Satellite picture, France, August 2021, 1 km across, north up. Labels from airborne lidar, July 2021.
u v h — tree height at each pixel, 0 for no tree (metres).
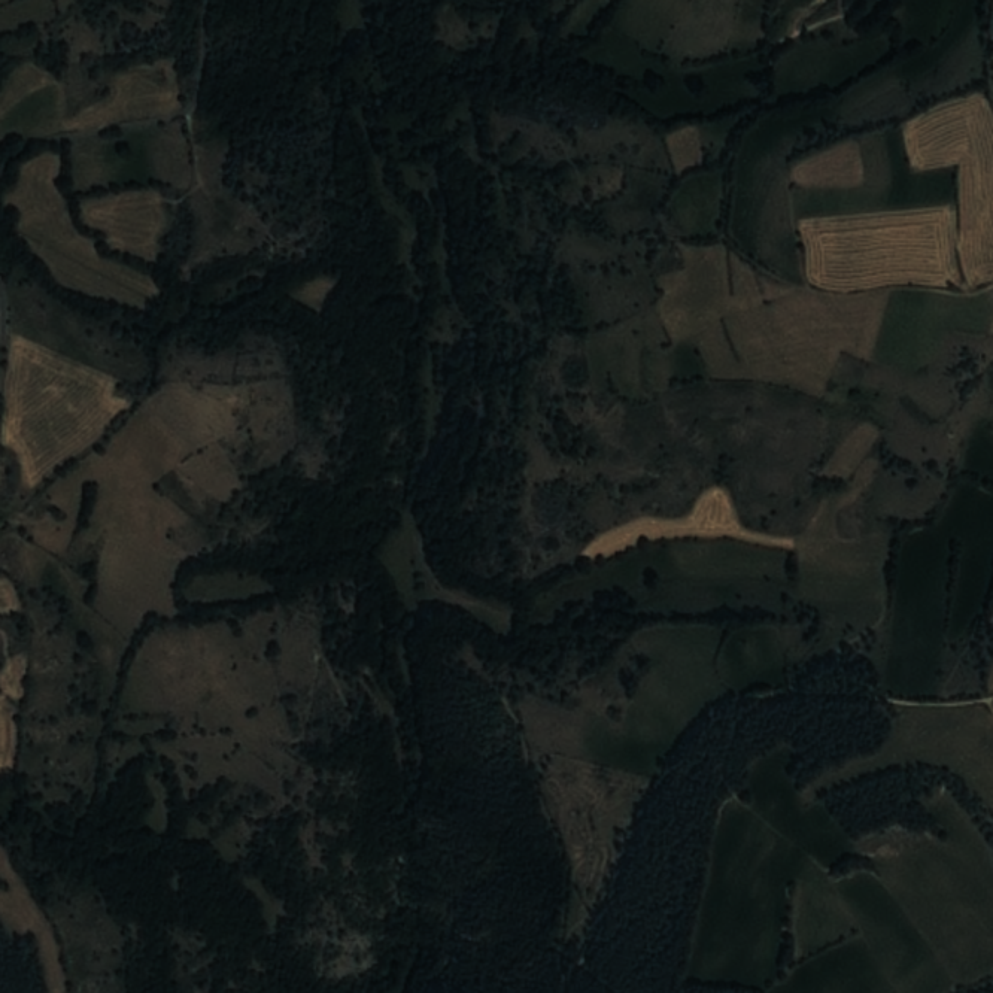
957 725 0
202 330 7
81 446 0
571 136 9
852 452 0
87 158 0
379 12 20
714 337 0
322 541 18
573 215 7
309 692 0
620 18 0
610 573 0
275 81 10
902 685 0
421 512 24
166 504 0
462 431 14
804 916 0
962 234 0
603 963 17
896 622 0
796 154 8
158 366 8
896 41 15
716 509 0
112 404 0
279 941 12
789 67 0
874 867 10
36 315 0
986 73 8
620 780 0
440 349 9
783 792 0
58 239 0
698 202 0
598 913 11
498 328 10
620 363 0
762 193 0
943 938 0
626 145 0
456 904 9
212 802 8
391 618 21
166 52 7
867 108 0
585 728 0
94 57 8
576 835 0
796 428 0
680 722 0
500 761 9
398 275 10
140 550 0
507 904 8
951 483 8
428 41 9
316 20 21
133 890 16
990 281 0
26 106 0
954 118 0
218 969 11
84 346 0
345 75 21
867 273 0
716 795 14
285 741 0
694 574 0
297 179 7
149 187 9
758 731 18
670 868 15
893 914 0
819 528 0
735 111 13
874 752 12
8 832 10
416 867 12
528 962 9
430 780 21
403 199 16
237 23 7
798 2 0
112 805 16
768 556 0
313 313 13
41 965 12
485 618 0
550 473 0
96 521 0
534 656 12
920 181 0
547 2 12
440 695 10
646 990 19
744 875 0
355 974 6
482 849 8
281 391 0
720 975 0
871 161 0
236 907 16
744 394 0
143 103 0
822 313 0
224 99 9
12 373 0
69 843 14
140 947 8
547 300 15
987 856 0
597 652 8
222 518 7
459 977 9
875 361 0
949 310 0
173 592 8
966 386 12
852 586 0
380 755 21
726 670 0
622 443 0
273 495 8
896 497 0
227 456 0
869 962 0
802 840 0
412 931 13
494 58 15
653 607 0
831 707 15
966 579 0
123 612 0
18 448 0
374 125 13
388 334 20
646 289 0
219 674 0
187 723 0
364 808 11
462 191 12
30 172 0
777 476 0
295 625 0
